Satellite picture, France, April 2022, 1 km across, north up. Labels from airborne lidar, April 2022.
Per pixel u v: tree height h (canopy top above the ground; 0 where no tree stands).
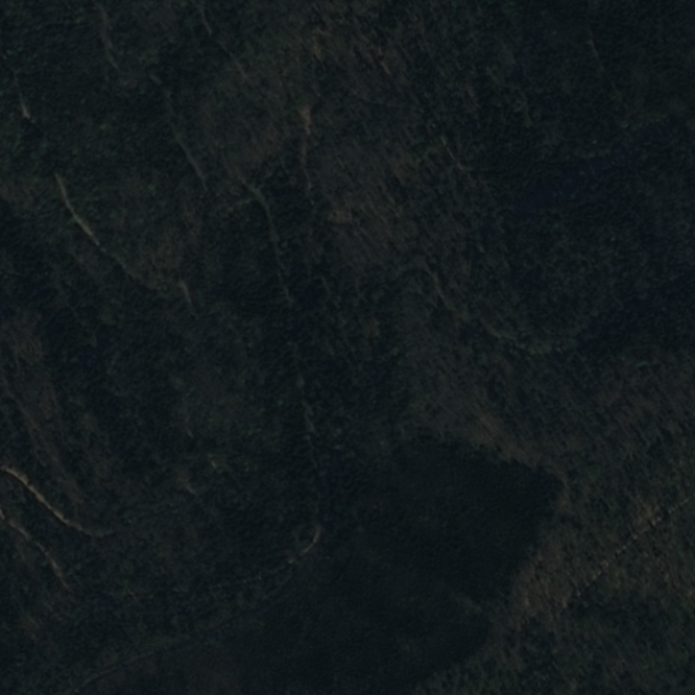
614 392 13
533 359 12
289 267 21
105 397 27
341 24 34
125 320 27
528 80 27
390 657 13
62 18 30
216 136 24
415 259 24
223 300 24
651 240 31
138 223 25
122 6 27
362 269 28
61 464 36
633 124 16
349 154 23
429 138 34
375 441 25
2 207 23
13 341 26
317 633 15
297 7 29
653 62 14
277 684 11
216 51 26
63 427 34
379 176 26
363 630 15
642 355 9
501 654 13
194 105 24
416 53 38
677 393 24
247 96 24
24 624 15
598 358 18
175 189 23
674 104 16
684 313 26
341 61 27
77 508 35
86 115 28
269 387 25
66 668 26
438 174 6
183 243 22
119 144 23
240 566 35
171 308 33
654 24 14
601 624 33
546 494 13
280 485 27
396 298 24
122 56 19
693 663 35
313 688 11
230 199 21
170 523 33
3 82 22
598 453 21
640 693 26
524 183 12
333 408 27
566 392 36
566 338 31
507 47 24
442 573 15
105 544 35
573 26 20
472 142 37
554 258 37
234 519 31
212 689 16
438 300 21
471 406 23
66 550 33
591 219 33
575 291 29
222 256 25
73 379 31
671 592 31
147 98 28
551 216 36
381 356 27
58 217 20
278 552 32
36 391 35
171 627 31
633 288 27
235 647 16
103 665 21
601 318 23
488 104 29
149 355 29
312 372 18
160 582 35
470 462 11
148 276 15
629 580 30
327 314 39
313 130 7
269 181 17
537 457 11
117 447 30
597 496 15
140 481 35
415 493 15
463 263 38
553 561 21
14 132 16
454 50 32
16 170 20
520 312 37
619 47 24
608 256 34
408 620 15
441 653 14
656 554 32
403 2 34
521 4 18
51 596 31
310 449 27
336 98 26
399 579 16
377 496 17
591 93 26
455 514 15
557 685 27
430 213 35
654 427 25
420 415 25
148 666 12
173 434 29
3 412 30
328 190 18
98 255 28
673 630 29
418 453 15
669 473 23
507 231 34
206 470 30
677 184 32
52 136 20
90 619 32
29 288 26
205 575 32
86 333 14
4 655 17
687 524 30
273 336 23
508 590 10
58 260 27
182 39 30
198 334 27
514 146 15
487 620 15
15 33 27
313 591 18
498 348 35
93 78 16
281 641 15
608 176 33
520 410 11
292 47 25
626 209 35
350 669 12
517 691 23
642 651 34
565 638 33
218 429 25
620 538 30
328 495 36
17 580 18
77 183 13
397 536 15
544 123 10
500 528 13
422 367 22
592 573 27
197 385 27
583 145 24
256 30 27
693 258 28
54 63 25
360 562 15
